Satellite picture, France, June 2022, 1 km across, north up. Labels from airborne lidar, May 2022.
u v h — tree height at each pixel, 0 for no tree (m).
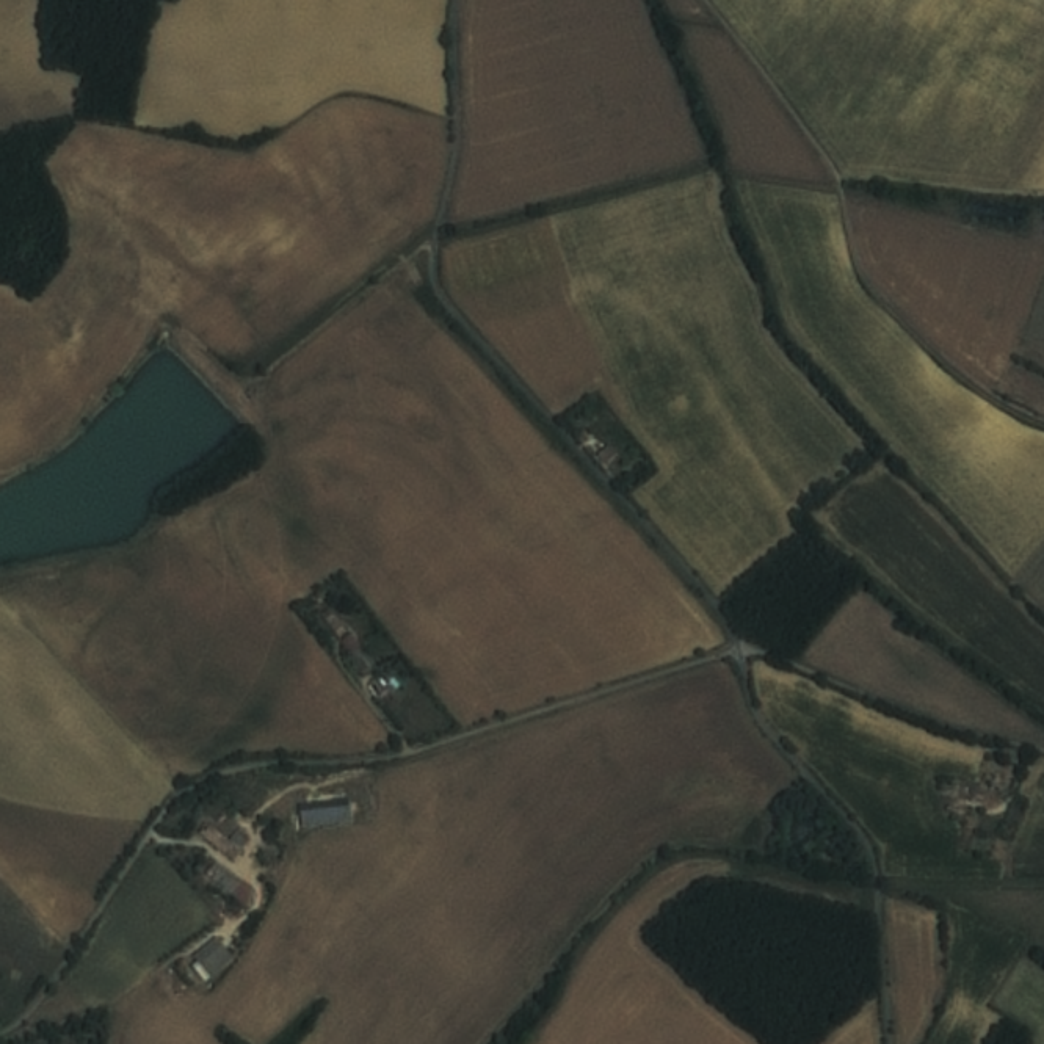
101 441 0
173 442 0
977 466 0
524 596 0
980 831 6
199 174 0
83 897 0
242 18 0
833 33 0
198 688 0
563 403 0
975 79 0
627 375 0
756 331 0
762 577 15
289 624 0
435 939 0
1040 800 0
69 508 0
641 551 0
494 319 0
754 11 0
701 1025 0
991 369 0
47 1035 20
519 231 0
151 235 0
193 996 0
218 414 0
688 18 0
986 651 0
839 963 17
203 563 0
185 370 0
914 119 0
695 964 16
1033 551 0
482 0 0
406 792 0
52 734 0
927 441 0
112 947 0
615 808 0
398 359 0
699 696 0
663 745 0
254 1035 0
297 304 0
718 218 0
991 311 0
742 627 15
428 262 0
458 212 0
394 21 0
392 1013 0
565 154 0
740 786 0
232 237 0
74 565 0
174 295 0
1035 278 0
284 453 0
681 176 0
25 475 0
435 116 0
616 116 0
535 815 0
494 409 0
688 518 0
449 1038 0
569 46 0
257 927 10
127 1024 0
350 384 0
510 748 0
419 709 0
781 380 0
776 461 0
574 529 0
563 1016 0
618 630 0
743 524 0
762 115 0
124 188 0
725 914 16
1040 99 0
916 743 0
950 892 0
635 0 0
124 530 0
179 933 0
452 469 0
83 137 0
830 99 0
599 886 0
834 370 0
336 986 0
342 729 0
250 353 0
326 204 0
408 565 0
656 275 0
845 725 0
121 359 0
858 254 0
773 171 0
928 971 0
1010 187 0
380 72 0
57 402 0
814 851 16
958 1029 0
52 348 0
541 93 0
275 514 0
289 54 0
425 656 0
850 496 0
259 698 0
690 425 0
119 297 0
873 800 0
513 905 0
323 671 0
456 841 0
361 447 0
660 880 0
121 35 17
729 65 0
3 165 17
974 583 0
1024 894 0
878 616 0
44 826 0
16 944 0
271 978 0
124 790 0
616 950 0
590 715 0
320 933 0
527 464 0
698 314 0
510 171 0
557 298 0
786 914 18
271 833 16
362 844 0
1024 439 0
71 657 0
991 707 0
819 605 14
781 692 0
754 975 19
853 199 0
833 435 0
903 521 0
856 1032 0
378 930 0
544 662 0
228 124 0
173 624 0
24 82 0
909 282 0
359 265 0
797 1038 13
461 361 0
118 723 0
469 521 0
